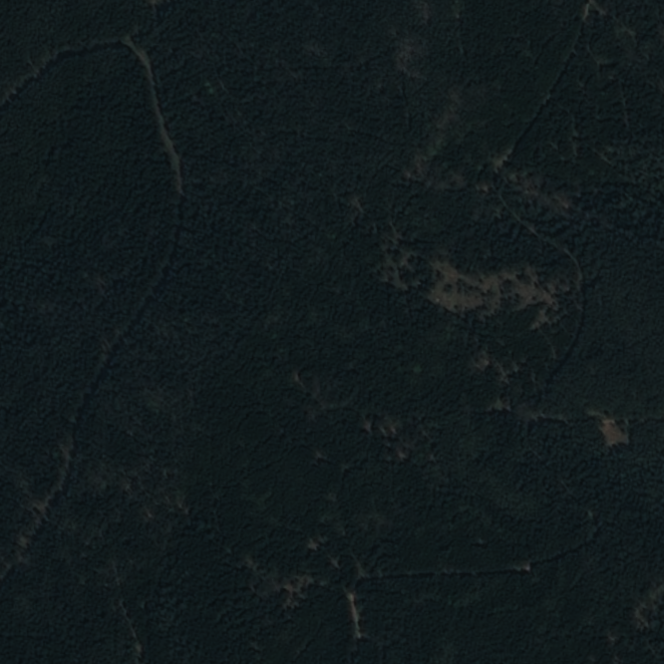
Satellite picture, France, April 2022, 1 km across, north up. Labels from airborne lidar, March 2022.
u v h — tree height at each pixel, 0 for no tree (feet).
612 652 39
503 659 64
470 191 54
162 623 68
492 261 52
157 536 87
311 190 52
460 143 63
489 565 50
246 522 49
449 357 54
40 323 84
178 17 80
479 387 65
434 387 49
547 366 33
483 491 61
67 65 93
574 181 50
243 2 76
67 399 78
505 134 54
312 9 67
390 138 83
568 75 51
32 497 65
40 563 68
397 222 52
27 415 78
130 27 77
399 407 32
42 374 86
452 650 66
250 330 52
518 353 37
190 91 83
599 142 34
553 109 50
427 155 60
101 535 79
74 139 75
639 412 56
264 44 69
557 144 55
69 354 83
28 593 73
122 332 81
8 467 83
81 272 72
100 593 80
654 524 86
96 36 85
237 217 67
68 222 49
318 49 77
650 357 83
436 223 60
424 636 64
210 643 34
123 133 75
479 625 59
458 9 78
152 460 61
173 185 81
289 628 64
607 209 61
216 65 71
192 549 48
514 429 79
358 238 68
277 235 73
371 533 42
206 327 73
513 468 66
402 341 64
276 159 69
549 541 67
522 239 65
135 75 75
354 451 51
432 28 74
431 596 63
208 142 61
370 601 56
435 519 49
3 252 42
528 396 42
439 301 0
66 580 70
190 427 78
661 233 75
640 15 79
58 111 92
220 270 87
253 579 53
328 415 37
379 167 81
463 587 58
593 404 80
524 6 66
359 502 51
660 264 84
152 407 67
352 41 76
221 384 76
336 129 78
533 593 55
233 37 77
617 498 93
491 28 66
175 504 73
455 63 82
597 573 81
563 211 58
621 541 83
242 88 46
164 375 65
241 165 62
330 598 50
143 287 74
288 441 60
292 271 65
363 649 50
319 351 51
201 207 55
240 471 27
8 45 86
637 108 65
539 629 51
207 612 53
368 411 60
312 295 62
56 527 60
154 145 73
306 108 70
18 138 86
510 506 70
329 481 34
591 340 74
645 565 88
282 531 47
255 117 63
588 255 86
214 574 59
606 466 107
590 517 79
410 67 72
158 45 84
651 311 88
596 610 65
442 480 59
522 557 65
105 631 69
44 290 77
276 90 69
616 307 72
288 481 31
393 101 56
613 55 62
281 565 49
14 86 90
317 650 22
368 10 77
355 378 71
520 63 64
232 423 61
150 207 91
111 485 72
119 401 92
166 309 67
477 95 65
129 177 58
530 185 28
